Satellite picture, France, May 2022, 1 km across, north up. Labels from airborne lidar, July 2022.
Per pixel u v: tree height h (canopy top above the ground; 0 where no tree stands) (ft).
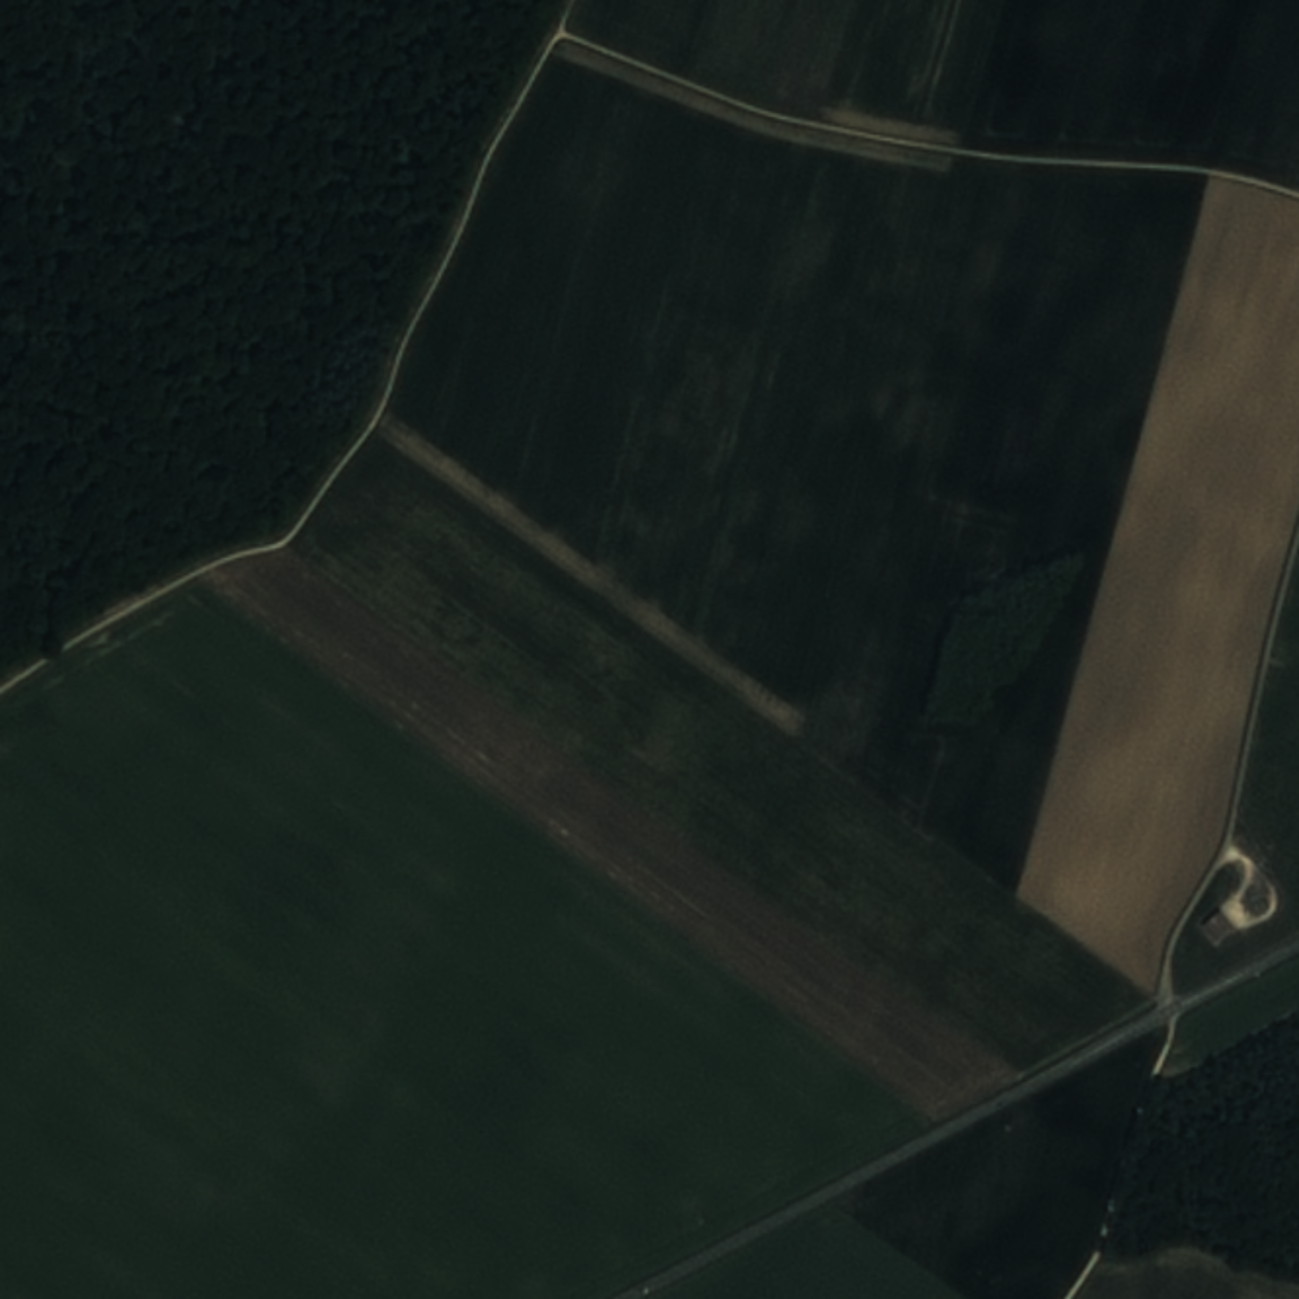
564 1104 0
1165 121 0
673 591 0
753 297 0
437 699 0
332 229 97
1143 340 0
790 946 0
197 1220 0
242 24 88
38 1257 0
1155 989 0
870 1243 0
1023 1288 0
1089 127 0
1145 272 0
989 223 0
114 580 65
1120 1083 0
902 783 0
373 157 81
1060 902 0
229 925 0
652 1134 0
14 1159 0
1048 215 0
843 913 0
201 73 90
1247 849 0
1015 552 0
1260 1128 63
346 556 0
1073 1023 0
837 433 0
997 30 0
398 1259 0
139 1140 0
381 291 79
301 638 0
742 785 0
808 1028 0
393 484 0
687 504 0
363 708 0
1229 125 0
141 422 89
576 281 0
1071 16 0
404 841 0
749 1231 0
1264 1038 20
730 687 0
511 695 0
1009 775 0
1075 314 0
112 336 89
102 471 80
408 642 0
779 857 0
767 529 0
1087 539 0
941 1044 0
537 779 0
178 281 56
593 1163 0
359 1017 0
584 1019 0
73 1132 0
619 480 0
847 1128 0
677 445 0
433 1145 0
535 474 0
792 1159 0
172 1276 0
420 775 0
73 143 92
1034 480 0
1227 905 0
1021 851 0
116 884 0
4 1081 0
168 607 0
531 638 0
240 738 0
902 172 0
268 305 97
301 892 0
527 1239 0
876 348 0
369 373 102
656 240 0
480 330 0
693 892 0
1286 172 0
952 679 64
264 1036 0
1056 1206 0
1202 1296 0
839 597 0
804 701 0
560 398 0
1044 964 0
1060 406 0
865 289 0
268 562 0
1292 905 0
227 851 0
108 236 26
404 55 66
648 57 0
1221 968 0
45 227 86
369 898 0
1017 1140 0
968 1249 0
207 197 88
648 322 0
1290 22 0
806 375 0
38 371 99
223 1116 0
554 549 0
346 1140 0
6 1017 0
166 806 0
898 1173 0
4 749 0
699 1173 0
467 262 0
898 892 0
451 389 0
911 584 0
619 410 0
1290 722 0
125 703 0
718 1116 0
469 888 0
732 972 0
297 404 54
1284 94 0
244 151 98
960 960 0
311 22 92
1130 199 0
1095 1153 0
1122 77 0
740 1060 0
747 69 0
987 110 0
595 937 0
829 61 0
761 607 0
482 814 0
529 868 0
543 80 0
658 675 0
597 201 0
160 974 0
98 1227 0
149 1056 0
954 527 0
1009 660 73
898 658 0
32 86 87
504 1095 0
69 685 0
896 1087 0
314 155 93
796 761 0
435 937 0
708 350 0
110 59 102
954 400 0
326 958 0
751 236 0
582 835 0
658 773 0
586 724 0
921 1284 0
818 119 0
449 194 80
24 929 0
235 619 0
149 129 85
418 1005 0
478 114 84
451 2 79
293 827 0
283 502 65
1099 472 0
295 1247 0
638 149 0
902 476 0
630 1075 0
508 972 0
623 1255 0
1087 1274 0
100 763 0
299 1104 0
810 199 0
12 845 0
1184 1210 61
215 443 84
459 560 0
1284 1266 55
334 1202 0
